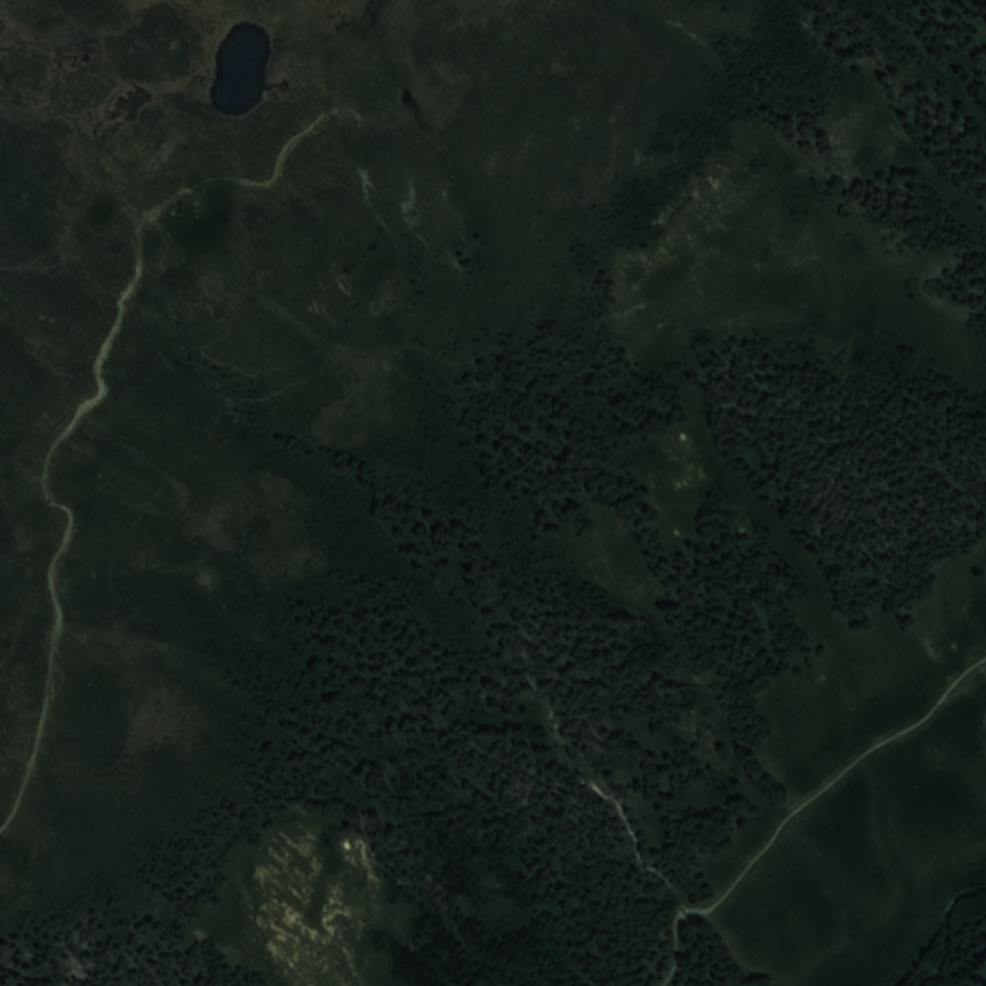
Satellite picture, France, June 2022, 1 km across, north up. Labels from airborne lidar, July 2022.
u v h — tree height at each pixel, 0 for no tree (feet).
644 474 0
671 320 0
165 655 0
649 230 22
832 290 0
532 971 30
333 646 60
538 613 58
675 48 0
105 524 0
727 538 48
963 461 67
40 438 0
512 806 84
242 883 0
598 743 74
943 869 0
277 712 56
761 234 0
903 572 89
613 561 0
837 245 0
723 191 0
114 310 0
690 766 82
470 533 61
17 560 0
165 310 0
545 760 56
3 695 0
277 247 0
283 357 0
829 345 0
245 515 0
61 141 0
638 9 0
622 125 0
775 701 0
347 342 0
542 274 0
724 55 28
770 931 0
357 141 0
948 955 38
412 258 20
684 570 83
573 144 0
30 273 0
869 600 70
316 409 0
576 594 21
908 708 0
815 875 0
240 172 0
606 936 52
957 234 75
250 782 23
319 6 0
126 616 0
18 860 0
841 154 0
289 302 0
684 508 0
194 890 29
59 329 0
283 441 66
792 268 0
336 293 0
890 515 86
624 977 83
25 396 0
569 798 87
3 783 0
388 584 21
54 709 0
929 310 0
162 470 0
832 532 77
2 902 0
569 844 87
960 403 53
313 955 0
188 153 0
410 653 83
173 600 0
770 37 19
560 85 0
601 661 95
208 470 0
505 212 0
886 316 0
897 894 0
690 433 0
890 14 20
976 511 60
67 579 0
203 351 0
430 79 0
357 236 0
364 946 0
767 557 27
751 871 0
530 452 85
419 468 24
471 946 29
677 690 55
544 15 0
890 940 0
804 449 57
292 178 0
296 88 0
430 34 0
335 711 83
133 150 0
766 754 0
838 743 0
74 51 0
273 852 0
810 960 0
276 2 0
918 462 81
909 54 39
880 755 0
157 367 0
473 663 49
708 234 0
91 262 0
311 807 76
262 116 0
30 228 0
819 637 0
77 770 0
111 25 0
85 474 0
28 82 0
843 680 0
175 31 0
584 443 81
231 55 0
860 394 41
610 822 80
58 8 0
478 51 0
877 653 0
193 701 0
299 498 0
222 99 0
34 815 0
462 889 35
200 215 0
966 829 0
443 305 0
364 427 0
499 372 41
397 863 45
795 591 79
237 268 0
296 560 0
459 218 0
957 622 0
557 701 65
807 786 0
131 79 0
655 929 77
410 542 23
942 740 0
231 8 0
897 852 0
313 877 0
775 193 0
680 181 33
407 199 0
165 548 0
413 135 0
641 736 0
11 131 0
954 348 0
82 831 0
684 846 79
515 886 27
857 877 0
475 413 20
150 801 0
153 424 0
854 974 0
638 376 33
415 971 44
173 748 0
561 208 0
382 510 84
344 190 0
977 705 0
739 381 76
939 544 90
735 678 50
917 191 105
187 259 0
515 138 0
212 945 36
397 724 101
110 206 0
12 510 0
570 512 93
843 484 76
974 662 0
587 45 0
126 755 0
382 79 0
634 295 0
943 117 76
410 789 40
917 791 0
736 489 0
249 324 0
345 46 0
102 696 0
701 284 0
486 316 0
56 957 34
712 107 22
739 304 0
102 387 0
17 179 0
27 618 0
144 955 68
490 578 72
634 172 0
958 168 75
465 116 0
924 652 0
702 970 89
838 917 0
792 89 25
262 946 0
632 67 0
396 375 0
